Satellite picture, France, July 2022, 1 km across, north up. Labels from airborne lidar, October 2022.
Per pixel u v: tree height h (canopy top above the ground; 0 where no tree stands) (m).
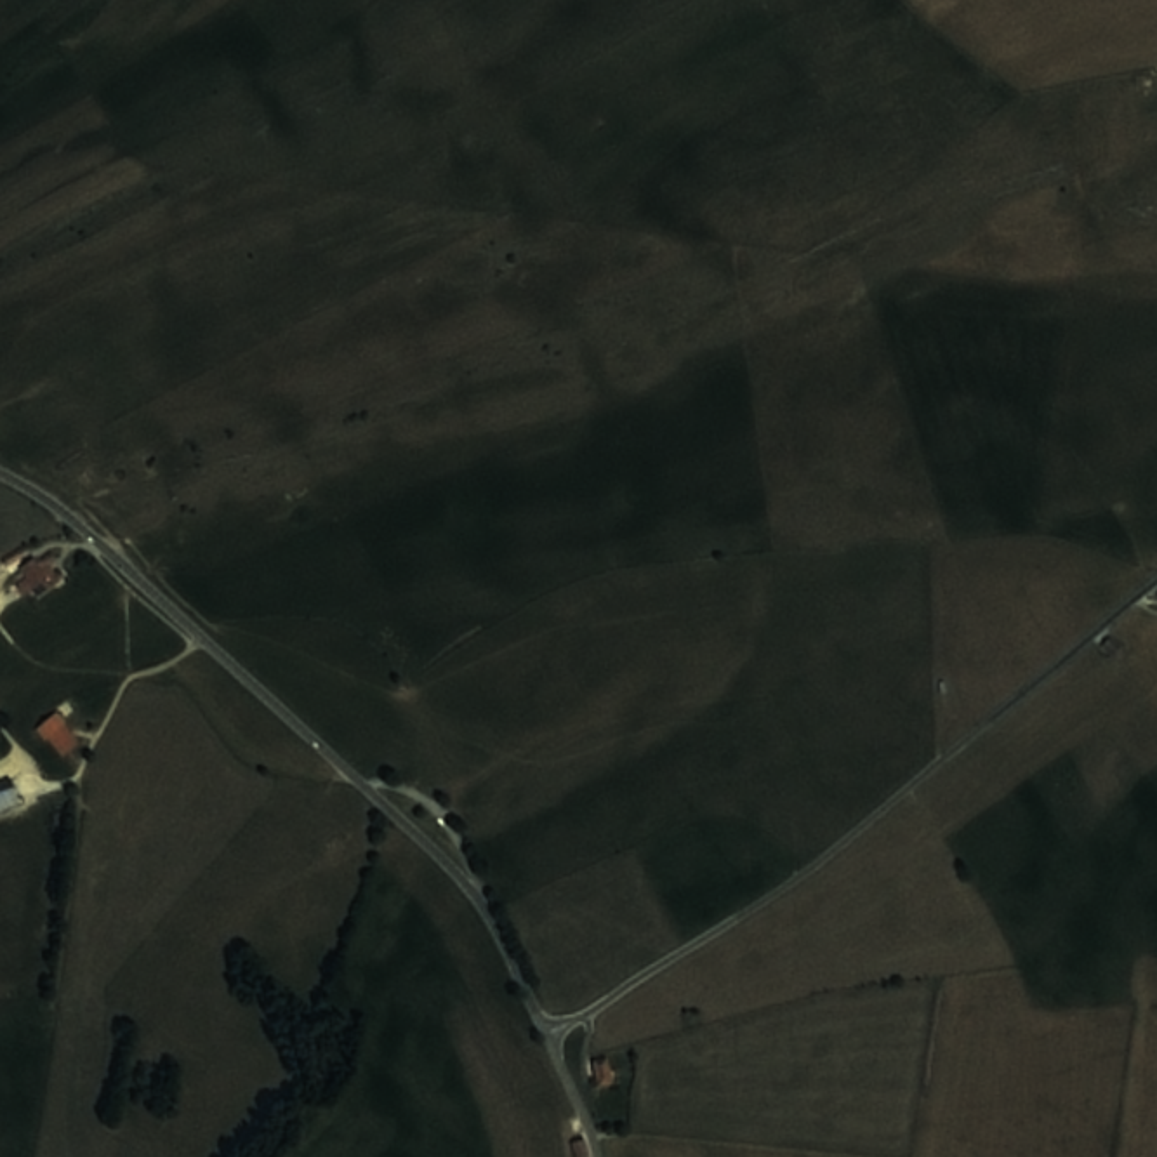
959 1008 0
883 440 0
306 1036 31
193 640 0
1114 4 0
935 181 0
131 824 0
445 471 0
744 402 0
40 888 0
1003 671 0
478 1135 0
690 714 0
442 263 0
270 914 0
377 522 0
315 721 0
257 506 0
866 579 0
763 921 0
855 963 0
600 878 0
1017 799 0
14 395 0
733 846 0
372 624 0
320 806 0
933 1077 0
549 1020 0
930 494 0
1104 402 0
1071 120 0
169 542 0
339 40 0
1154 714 0
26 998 0
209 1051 0
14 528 0
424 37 0
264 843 0
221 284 0
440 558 0
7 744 0
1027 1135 0
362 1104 0
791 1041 0
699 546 0
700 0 0
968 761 0
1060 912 0
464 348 0
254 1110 0
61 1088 0
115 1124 14
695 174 0
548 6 0
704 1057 0
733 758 0
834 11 0
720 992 0
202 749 0
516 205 0
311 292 0
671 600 0
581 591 0
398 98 0
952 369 0
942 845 0
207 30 0
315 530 0
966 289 0
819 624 0
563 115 0
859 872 0
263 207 0
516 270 0
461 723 0
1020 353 0
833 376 0
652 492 0
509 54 0
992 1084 0
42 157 0
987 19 0
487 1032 0
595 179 0
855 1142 0
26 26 0
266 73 0
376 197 0
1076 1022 0
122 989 0
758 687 0
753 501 0
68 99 0
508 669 0
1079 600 0
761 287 0
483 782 0
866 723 0
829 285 0
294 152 0
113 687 0
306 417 0
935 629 0
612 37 0
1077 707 0
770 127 0
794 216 0
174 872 0
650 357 0
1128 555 0
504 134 0
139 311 0
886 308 0
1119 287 0
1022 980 0
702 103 0
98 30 0
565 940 0
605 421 0
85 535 0
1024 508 0
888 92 0
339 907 0
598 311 0
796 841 0
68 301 0
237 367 0
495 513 0
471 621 0
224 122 0
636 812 0
